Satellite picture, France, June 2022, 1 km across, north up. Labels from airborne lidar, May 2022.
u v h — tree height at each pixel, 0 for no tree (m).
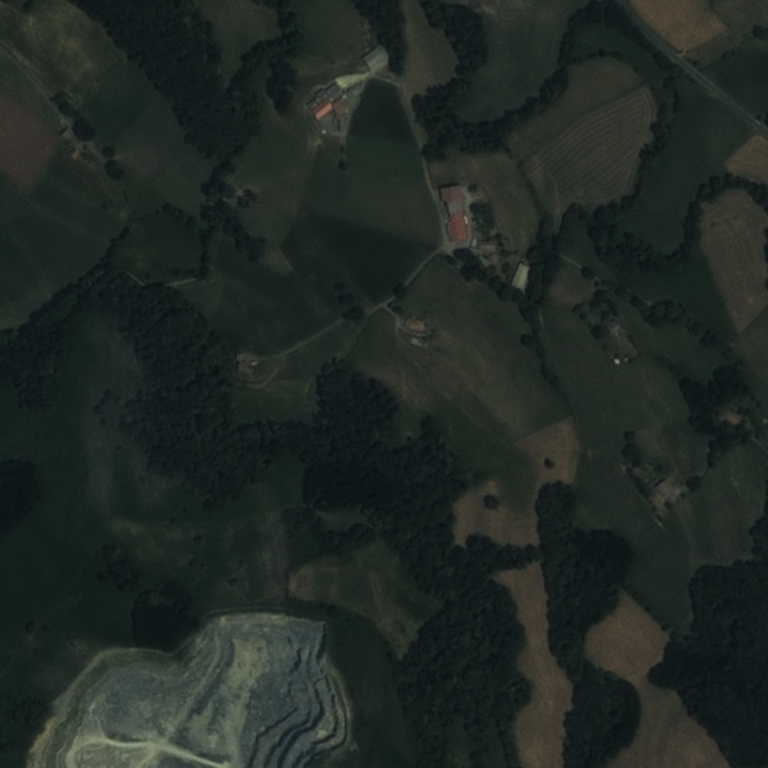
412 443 12
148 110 0
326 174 0
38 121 0
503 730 11
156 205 0
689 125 0
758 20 0
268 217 0
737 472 0
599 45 0
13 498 19
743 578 21
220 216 16
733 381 23
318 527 14
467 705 15
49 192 0
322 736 0
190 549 0
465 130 13
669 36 0
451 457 23
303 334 0
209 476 20
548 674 0
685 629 0
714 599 24
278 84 22
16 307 0
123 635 0
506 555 14
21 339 21
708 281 0
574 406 0
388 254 0
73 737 0
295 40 30
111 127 0
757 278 0
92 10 15
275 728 0
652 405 0
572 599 22
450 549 12
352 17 0
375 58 0
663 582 0
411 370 0
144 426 10
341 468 18
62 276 0
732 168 0
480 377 0
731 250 0
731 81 0
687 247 15
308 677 0
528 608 0
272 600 0
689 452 0
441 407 0
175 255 0
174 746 0
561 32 0
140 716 0
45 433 0
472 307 0
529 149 0
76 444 0
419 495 18
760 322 0
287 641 0
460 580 16
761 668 11
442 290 0
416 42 0
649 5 0
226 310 0
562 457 0
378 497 19
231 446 20
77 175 0
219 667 0
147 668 0
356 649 0
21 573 0
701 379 0
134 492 0
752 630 14
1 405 0
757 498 0
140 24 17
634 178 0
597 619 23
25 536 0
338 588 0
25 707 8
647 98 0
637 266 18
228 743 0
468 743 0
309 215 0
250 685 0
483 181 0
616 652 0
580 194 0
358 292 0
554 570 20
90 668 0
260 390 0
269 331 0
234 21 0
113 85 0
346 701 0
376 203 0
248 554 0
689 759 0
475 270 20
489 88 0
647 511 0
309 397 0
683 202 0
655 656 0
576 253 0
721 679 22
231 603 0
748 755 23
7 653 0
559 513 14
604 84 0
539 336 8
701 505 0
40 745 0
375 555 0
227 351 13
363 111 0
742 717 27
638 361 0
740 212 0
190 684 0
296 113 0
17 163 0
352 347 0
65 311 25
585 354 0
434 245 0
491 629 17
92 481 0
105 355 0
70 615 0
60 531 0
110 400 9
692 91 0
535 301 11
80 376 0
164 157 0
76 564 0
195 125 22
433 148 17
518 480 0
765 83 0
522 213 0
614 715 21
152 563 0
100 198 0
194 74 23
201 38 22
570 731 19
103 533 0
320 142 0
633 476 7
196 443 21
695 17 0
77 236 0
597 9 24
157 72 23
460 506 0
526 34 0
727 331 0
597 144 0
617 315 11
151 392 7
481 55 20
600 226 18
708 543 0
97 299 12
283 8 24
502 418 0
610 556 25
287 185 0
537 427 0
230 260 0
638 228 0
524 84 0
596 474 0
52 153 0
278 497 0
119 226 0
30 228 0
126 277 12
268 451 19
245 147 13
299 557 0
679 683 29
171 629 16
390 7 20
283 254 0
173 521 8
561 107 0
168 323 23
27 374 18
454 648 21
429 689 15
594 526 0
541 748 0
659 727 0
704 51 0
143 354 10
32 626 9
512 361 0
